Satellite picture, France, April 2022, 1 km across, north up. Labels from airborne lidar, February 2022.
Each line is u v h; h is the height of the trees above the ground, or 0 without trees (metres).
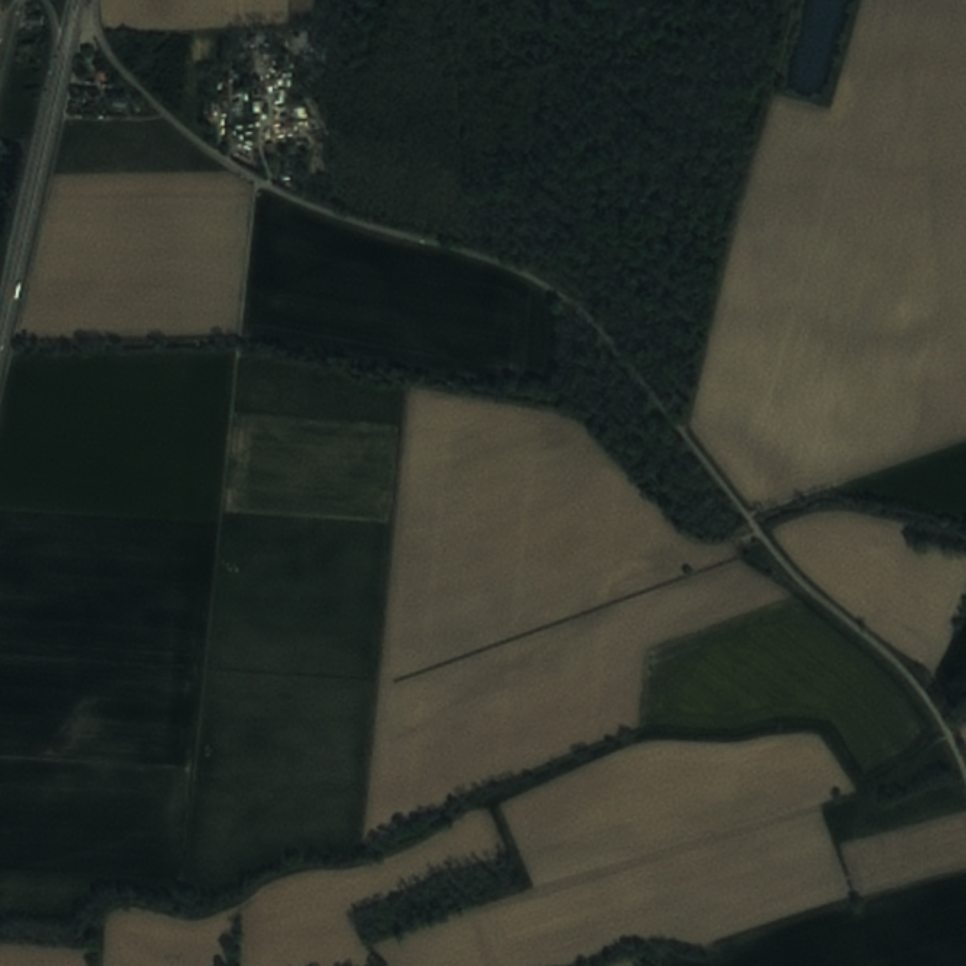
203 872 0
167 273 0
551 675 0
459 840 0
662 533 0
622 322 23
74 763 0
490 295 0
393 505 0
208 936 0
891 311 0
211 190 0
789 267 0
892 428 0
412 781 0
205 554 0
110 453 0
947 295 0
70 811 0
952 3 0
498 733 0
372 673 0
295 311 0
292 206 0
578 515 0
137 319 0
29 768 0
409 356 0
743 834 0
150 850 0
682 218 22
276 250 0
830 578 0
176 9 0
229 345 12
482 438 0
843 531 0
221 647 0
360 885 0
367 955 0
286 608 0
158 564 0
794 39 9
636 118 25
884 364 0
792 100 0
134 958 0
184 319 0
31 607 0
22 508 0
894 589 0
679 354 25
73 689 0
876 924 0
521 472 0
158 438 0
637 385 23
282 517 0
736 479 0
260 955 0
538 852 0
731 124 22
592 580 0
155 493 0
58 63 0
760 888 0
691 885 0
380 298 0
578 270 23
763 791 0
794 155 0
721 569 0
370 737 0
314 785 0
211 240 0
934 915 0
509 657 0
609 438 21
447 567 0
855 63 0
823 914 0
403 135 10
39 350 12
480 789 13
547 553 0
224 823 0
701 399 0
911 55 0
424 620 0
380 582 0
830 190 0
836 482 0
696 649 0
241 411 0
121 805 0
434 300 0
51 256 0
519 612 0
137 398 0
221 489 0
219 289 0
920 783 12
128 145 0
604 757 0
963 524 6
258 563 0
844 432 0
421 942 0
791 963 0
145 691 0
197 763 0
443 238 13
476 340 0
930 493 0
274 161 13
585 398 24
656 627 0
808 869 0
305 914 0
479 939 0
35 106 0
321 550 0
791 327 0
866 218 0
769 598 0
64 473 0
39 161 0
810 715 0
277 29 11
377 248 0
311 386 0
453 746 0
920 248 0
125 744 0
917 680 0
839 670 0
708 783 0
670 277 23
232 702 0
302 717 0
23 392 0
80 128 0
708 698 0
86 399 0
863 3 0
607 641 0
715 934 0
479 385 9
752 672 0
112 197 0
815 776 0
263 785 0
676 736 0
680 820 0
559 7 25
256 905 0
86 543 0
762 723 0
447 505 0
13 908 0
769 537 0
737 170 19
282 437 0
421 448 0
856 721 0
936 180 0
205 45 0
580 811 0
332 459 0
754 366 0
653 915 0
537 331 0
